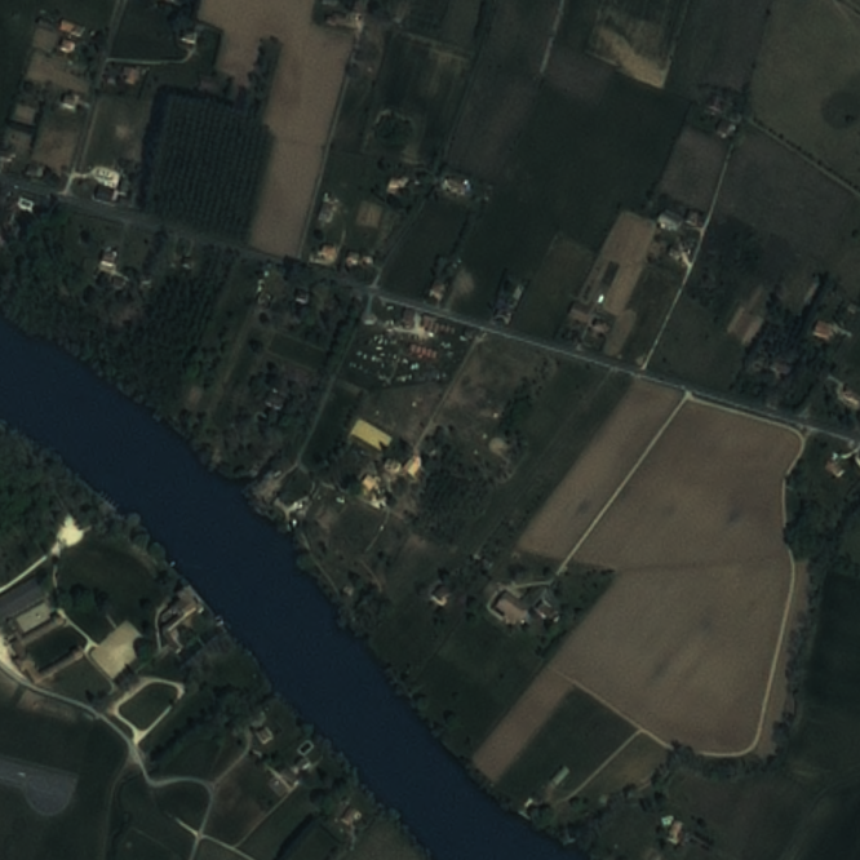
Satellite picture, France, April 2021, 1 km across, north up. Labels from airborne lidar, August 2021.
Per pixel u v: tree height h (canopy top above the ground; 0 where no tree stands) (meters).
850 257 0
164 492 0
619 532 0
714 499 0
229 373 0
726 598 0
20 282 17
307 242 0
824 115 0
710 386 0
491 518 0
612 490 0
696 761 17
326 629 0
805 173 0
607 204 0
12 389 0
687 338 0
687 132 0
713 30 0
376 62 0
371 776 0
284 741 0
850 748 0
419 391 0
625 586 0
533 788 0
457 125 0
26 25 0
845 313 8
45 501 14
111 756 0
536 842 0
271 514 9
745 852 0
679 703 0
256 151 29
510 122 0
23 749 0
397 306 0
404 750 0
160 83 11
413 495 8
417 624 0
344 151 0
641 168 0
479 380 0
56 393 0
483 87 0
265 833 0
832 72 0
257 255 0
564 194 0
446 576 11
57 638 0
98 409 0
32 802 0
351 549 0
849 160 0
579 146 0
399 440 0
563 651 0
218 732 21
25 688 0
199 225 33
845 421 12
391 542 0
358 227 0
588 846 31
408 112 0
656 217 10
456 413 0
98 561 0
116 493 0
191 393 0
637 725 0
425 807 0
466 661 0
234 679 0
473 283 0
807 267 0
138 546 18
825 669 0
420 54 0
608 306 0
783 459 0
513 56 0
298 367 0
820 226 0
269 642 0
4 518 25
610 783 0
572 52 0
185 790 0
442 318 0
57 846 0
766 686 0
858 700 0
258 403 5
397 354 0
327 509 0
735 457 0
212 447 7
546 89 0
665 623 0
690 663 0
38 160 0
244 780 0
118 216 0
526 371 0
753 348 7
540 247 0
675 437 0
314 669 0
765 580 0
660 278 0
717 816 0
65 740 0
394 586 0
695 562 0
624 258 0
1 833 0
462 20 0
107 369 27
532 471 0
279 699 10
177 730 0
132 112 0
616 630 0
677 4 0
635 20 0
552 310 0
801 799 0
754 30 0
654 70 0
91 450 0
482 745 0
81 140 0
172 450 0
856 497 7
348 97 0
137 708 0
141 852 0
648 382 0
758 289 0
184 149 32
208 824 0
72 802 0
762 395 8
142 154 0
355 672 0
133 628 0
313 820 12
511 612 0
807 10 0
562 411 0
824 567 13
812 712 0
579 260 0
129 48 0
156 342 13
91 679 0
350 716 0
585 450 0
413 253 0
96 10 0
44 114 9
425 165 10
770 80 0
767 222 0
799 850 0
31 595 0
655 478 0
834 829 0
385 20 15
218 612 0
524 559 0
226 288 13
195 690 16
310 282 24
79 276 29
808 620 14
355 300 6
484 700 0
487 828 0
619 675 0
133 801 0
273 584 0
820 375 7
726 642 0
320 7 0
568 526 0
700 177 0
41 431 0
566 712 0
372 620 19
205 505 0
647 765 0
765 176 0
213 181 30
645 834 0
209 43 10
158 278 23
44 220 23
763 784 0
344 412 0
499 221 0
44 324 14
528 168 0
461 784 0
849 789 0
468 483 7
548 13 0
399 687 9
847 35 0
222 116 29
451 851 0
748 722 0
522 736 0
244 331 0
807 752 0
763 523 0
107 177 0
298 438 26
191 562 0
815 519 19
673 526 0
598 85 0
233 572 0
